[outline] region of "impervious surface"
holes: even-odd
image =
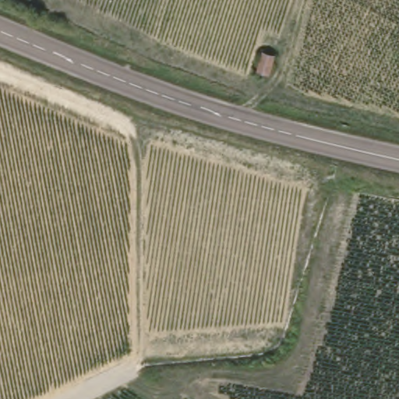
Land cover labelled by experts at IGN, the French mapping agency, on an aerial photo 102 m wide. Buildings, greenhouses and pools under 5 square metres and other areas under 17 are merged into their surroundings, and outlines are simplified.
[[[243,108],[242,104],[199,94],[195,90],[175,86],[154,76],[136,72],[129,65],[118,65],[115,62],[92,55],[89,51],[65,44],[47,34],[0,16],[0,47],[48,65],[51,69],[61,70],[67,75],[83,79],[87,83],[112,90],[140,103],[150,104],[153,108],[192,118],[196,122],[228,129],[254,139],[279,143],[284,147],[298,148],[309,153],[335,157],[341,161],[399,173],[399,145],[321,128],[309,123],[295,122],[277,115],[265,114],[257,109],[252,111]]]

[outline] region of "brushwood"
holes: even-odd
[[[0,16],[47,34],[65,44],[89,51],[92,55],[115,62],[118,59],[118,50],[126,50],[125,44],[114,42],[111,48],[98,47],[97,41],[83,26],[69,22],[69,25],[65,26],[61,22],[53,22],[42,14],[37,14],[34,9],[6,3],[3,0],[0,0]]]
[[[242,366],[245,371],[260,371],[270,368],[271,363],[282,363],[290,357],[299,340],[299,327],[304,321],[302,310],[293,310],[287,329],[277,354],[267,358],[265,362],[254,360]]]

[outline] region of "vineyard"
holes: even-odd
[[[248,78],[251,73],[252,61],[256,58],[257,50],[262,47],[265,36],[281,39],[285,28],[296,20],[299,33],[295,48],[291,50],[293,55],[298,56],[295,72],[291,76],[295,87],[310,90],[307,97],[316,100],[399,118],[399,0],[103,0],[100,11],[106,11],[106,22],[125,26],[128,30],[139,33],[143,41],[157,42],[170,50],[179,51],[187,58],[206,62],[242,78]]]
[[[399,399],[399,204],[383,203],[382,199],[373,199],[368,193],[360,193],[358,196],[360,201],[357,204],[357,214],[352,220],[348,254],[344,257],[338,277],[337,298],[334,309],[330,312],[330,321],[326,324],[327,334],[324,335],[323,344],[316,349],[312,376],[305,385],[304,394],[299,397],[291,385],[285,385],[277,391],[257,390],[242,385],[220,385],[218,391],[228,394],[226,399]]]
[[[95,122],[87,115],[78,114],[61,104],[50,103],[47,98],[0,81],[0,399],[48,399],[45,391],[48,388],[61,387],[62,383],[69,382],[81,374],[86,374],[90,369],[112,362],[129,352],[139,355],[142,360],[148,357],[179,358],[185,355],[256,352],[267,346],[276,327],[287,329],[293,310],[291,307],[298,301],[298,290],[291,287],[291,282],[295,273],[296,248],[304,209],[304,204],[301,203],[301,190],[281,187],[281,184],[273,184],[257,176],[243,175],[232,168],[198,161],[184,154],[170,153],[164,148],[156,148],[154,142],[159,131],[156,129],[145,129],[145,136],[136,134],[136,137],[125,136],[111,125]]]

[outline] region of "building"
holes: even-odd
[[[263,55],[257,72],[267,76],[273,67],[273,56]]]

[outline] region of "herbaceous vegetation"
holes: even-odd
[[[291,282],[291,287],[298,290],[298,301],[291,307],[293,310],[302,310],[304,321],[299,327],[299,340],[290,357],[282,363],[271,363],[270,368],[260,371],[245,371],[242,366],[254,360],[265,362],[267,358],[277,354],[287,329],[276,327],[267,346],[256,352],[185,355],[179,358],[148,357],[142,360],[139,376],[131,380],[125,388],[115,388],[103,399],[226,399],[228,394],[218,391],[220,385],[242,385],[257,390],[277,391],[285,385],[291,385],[299,397],[304,394],[305,385],[312,376],[316,349],[323,344],[324,335],[327,334],[326,324],[330,321],[330,312],[334,309],[337,298],[338,277],[344,257],[348,254],[352,220],[357,214],[357,204],[360,201],[358,196],[360,193],[368,193],[373,199],[382,199],[383,203],[399,204],[399,173],[341,161],[335,157],[309,153],[298,148],[284,147],[279,143],[254,139],[228,129],[196,122],[192,118],[153,108],[150,104],[140,103],[112,90],[87,83],[83,79],[67,75],[61,70],[51,69],[48,65],[0,47],[0,61],[126,115],[136,126],[136,134],[145,136],[145,129],[156,129],[159,131],[154,142],[156,148],[164,148],[170,153],[184,154],[198,161],[232,168],[243,175],[257,176],[273,184],[281,184],[281,187],[301,190],[301,203],[304,204],[304,209],[296,248],[295,273]]]
[[[399,118],[316,100],[307,97],[310,90],[295,87],[291,76],[295,72],[298,56],[293,55],[291,50],[295,48],[299,33],[296,20],[285,28],[281,39],[265,36],[262,47],[257,50],[256,58],[252,61],[251,73],[248,78],[242,78],[206,62],[187,58],[179,51],[170,50],[157,42],[143,41],[139,33],[128,30],[125,26],[106,22],[106,11],[100,11],[103,0],[3,0],[6,3],[34,9],[37,14],[42,14],[53,22],[61,22],[65,26],[69,25],[69,22],[83,26],[97,41],[98,47],[111,48],[114,42],[125,44],[126,50],[118,50],[118,59],[115,62],[118,65],[129,65],[136,72],[154,76],[175,86],[195,90],[199,94],[242,104],[243,108],[252,111],[257,109],[265,114],[277,115],[295,122],[309,123],[321,128],[399,145]],[[273,67],[267,76],[257,72],[263,55],[273,56]]]

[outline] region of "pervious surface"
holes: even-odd
[[[95,122],[111,125],[125,136],[136,137],[136,134],[136,126],[126,115],[0,61],[0,81],[47,98],[50,103],[61,104],[78,114],[87,115]]]
[[[142,360],[139,355],[129,352],[112,362],[90,369],[86,374],[81,374],[69,382],[62,383],[61,387],[48,388],[45,391],[48,399],[103,399],[115,388],[125,388],[131,380],[139,376]]]

